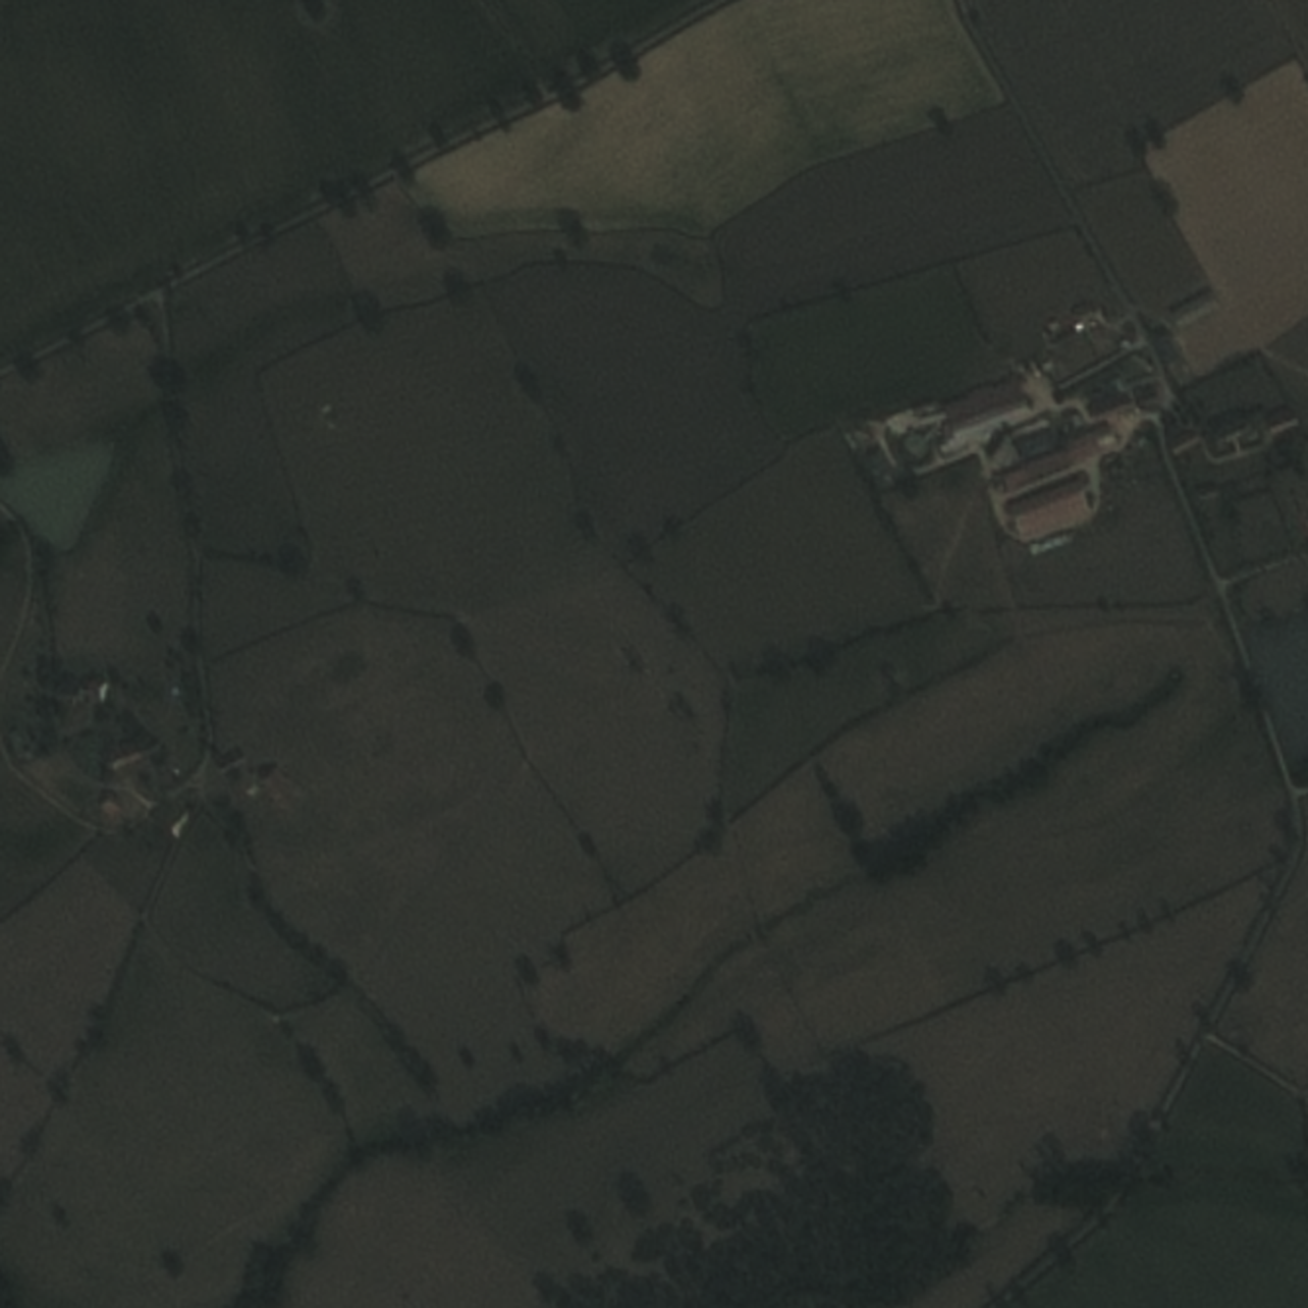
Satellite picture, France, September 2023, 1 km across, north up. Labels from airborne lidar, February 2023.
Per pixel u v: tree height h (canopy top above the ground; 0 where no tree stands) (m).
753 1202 0
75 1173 0
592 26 0
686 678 0
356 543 0
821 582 0
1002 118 0
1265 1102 0
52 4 0
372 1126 0
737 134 0
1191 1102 0
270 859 0
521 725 0
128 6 0
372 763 0
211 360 0
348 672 0
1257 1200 0
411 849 0
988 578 0
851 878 0
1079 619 0
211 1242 0
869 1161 8
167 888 0
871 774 0
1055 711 0
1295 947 0
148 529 0
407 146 0
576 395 0
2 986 0
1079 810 0
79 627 0
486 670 0
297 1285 0
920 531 0
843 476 0
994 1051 0
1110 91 0
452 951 0
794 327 0
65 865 0
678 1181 0
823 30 0
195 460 0
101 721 8
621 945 0
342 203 18
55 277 0
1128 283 0
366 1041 0
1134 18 0
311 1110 0
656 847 0
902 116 0
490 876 0
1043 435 0
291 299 0
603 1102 0
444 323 0
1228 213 0
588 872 0
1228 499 0
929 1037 0
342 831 0
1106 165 0
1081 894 0
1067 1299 0
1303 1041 0
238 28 0
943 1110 0
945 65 0
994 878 0
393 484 0
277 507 0
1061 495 0
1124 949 0
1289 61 0
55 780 0
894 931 0
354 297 0
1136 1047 0
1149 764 0
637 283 0
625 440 0
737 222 0
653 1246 0
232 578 0
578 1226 15
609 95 0
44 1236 0
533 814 0
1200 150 0
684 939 0
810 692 0
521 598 0
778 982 0
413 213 0
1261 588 0
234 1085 0
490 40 0
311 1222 8
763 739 0
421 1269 0
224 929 0
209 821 0
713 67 0
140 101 0
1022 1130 0
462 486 0
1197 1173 0
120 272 0
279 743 0
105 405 0
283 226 0
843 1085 13
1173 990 0
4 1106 0
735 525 0
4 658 0
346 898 0
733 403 0
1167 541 0
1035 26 0
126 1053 0
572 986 0
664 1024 0
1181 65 0
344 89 0
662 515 0
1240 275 0
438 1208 0
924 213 0
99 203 0
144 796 0
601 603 0
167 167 0
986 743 0
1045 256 0
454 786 0
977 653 0
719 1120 0
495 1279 0
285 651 0
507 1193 0
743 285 0
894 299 0
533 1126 0
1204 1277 0
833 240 0
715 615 0
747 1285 18
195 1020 0
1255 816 0
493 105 8
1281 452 9
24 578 0
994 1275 0
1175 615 0
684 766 0
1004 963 0
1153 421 0
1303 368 0
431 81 0
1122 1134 0
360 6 0
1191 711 0
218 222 0
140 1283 0
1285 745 0
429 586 0
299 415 0
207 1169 0
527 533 0
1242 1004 0
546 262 0
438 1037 0
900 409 0
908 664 0
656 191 0
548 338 0
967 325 0
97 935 0
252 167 0
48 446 0
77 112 0
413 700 0
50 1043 0
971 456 0
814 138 0
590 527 13
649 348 0
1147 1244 0
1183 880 0
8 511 0
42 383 0
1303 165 0
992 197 0
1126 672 0
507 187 0
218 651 0
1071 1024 0
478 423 0
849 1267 18
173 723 0
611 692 0
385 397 0
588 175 0
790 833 0
